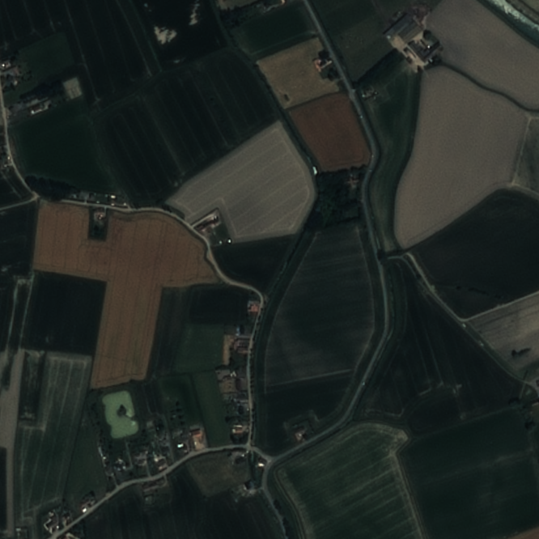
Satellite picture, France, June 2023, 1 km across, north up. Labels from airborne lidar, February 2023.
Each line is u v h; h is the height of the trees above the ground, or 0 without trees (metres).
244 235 0
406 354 0
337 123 0
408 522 0
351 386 0
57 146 0
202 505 0
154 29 0
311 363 0
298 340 0
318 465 0
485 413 0
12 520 0
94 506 0
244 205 0
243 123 0
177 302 0
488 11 0
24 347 0
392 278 0
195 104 0
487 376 0
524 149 0
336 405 0
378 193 0
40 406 0
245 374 0
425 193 0
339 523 0
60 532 0
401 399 0
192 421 0
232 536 0
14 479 0
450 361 0
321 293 0
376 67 11
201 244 0
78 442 0
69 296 0
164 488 0
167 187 0
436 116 0
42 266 0
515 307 0
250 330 0
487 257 0
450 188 0
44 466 0
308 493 0
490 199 0
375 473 0
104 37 0
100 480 0
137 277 0
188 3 0
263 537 0
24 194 0
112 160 0
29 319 0
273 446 0
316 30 0
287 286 0
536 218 0
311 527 0
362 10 0
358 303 0
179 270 0
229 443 0
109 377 0
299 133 0
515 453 0
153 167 0
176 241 0
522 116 0
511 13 0
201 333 0
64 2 0
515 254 0
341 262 0
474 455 0
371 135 0
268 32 0
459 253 0
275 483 0
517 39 0
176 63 0
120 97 0
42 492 0
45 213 0
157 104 0
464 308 0
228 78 0
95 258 0
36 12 0
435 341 0
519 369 0
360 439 0
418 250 0
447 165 0
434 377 0
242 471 0
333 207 6
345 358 0
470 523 0
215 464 0
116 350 0
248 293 0
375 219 0
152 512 0
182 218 0
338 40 0
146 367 0
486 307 0
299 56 0
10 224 0
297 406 0
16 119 0
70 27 0
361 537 0
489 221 0
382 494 0
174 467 0
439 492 0
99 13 0
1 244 0
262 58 0
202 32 0
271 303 0
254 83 0
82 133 0
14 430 0
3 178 0
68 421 0
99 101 0
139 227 0
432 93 0
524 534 0
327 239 0
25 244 0
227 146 0
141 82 0
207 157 0
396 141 0
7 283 0
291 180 0
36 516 0
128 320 0
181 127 0
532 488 0
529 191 0
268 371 0
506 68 0
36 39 0
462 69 0
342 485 0
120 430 0
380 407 0
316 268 0
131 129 0
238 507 0
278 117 0
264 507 0
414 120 0
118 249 0
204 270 0
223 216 0
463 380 0
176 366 0
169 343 0
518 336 0
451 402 0
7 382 0
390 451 0
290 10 0
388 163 0
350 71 0
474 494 0
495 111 0
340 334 0
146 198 0
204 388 0
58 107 0
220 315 0
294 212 0
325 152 0
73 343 0
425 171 0
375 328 0
